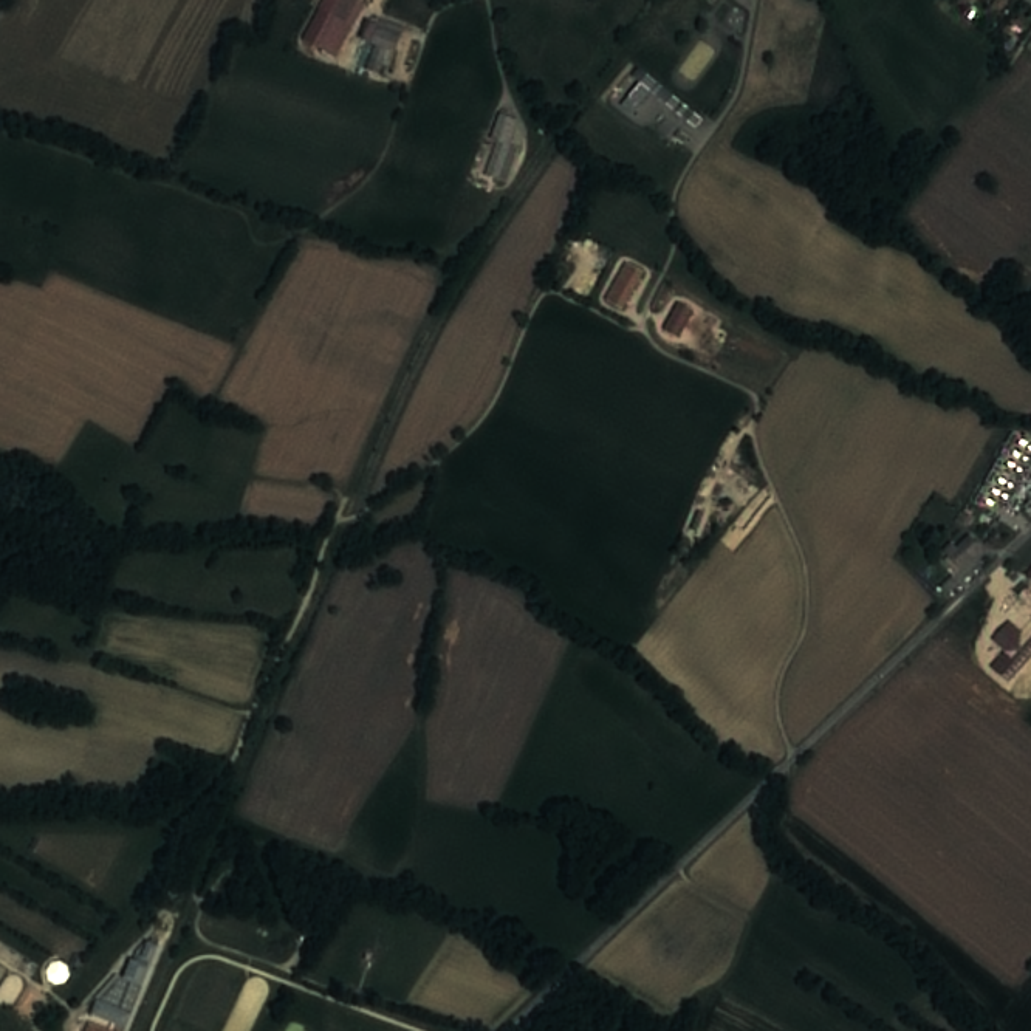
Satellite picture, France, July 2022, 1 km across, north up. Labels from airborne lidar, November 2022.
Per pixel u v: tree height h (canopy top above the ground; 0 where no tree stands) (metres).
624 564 0
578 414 0
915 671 0
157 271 0
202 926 0
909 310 0
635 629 0
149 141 0
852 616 0
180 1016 0
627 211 0
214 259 0
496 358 0
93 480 0
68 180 0
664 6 0
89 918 0
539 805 0
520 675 0
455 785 0
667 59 0
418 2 0
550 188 0
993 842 0
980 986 0
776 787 20
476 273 0
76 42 0
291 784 0
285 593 0
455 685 0
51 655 23
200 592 0
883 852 0
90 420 0
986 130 0
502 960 20
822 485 0
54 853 0
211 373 0
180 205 0
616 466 0
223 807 17
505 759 0
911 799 0
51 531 23
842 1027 0
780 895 0
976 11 0
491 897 0
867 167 22
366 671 0
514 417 0
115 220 0
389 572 15
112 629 0
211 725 0
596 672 0
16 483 21
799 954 0
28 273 0
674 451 0
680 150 0
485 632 0
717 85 0
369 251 13
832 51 0
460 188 0
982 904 0
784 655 0
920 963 20
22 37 0
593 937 0
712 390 0
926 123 0
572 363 0
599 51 0
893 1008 0
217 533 19
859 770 0
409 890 18
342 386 0
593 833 28
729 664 0
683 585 0
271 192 0
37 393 0
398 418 0
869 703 0
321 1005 0
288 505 0
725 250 0
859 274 0
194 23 0
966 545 0
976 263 0
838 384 0
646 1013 17
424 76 0
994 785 0
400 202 0
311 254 0
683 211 0
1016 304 25
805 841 0
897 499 0
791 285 0
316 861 16
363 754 0
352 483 0
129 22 0
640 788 0
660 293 0
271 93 0
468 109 0
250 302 0
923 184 10
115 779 0
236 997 0
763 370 0
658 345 0
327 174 0
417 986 0
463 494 0
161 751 15
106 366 0
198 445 0
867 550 0
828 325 16
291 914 21
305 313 0
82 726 16
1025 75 0
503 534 0
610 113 0
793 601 0
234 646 0
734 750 21
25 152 0
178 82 0
